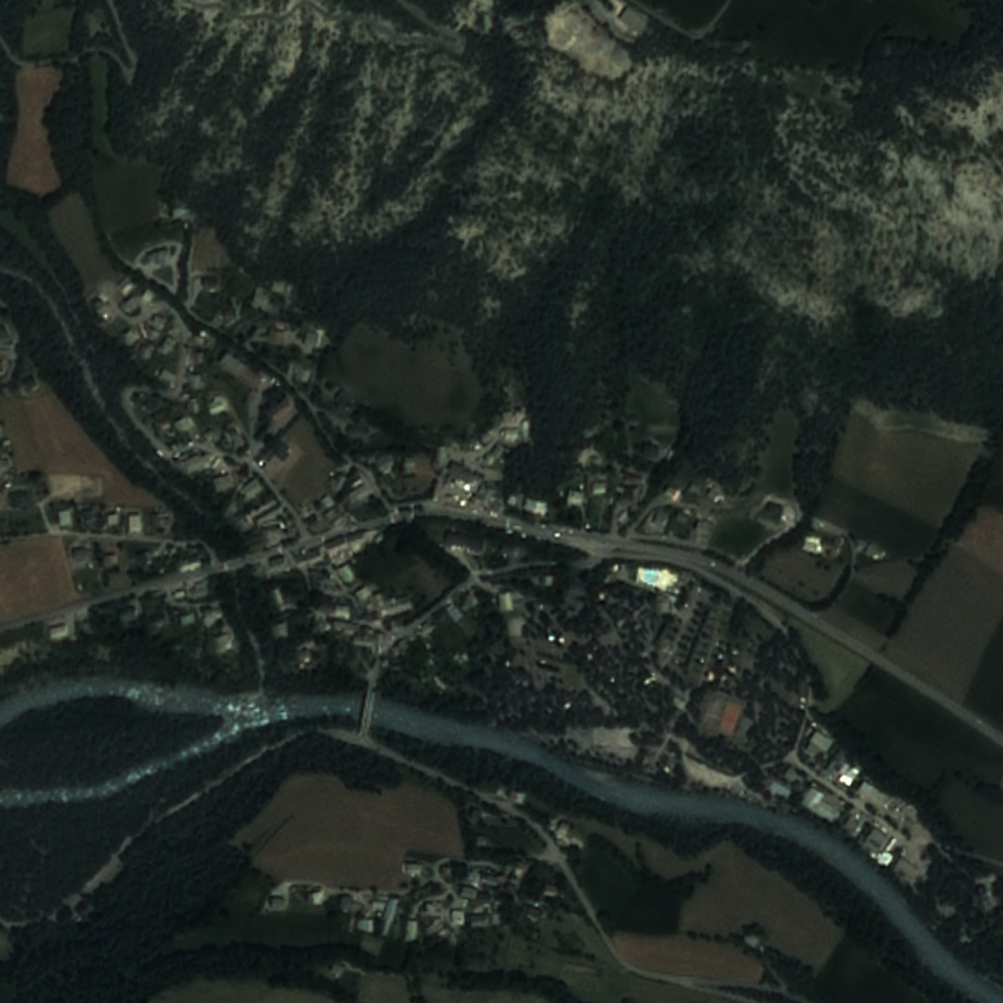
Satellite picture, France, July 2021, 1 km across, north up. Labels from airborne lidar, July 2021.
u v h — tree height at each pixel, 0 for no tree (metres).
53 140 10
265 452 8
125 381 12
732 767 9
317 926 0
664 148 9
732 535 0
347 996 11
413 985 6
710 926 0
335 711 0
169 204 7
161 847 15
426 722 0
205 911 18
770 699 11
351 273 8
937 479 0
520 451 12
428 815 0
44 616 0
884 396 10
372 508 11
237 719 0
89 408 10
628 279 7
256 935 0
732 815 0
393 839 0
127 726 9
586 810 13
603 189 9
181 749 9
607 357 11
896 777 11
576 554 12
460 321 7
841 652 0
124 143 8
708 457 7
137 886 10
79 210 0
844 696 0
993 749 0
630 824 8
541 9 7
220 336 10
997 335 8
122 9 8
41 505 0
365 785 8
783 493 0
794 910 0
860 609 0
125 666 10
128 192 0
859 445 0
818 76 0
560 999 9
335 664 11
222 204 10
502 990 8
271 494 8
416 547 13
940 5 0
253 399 0
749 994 10
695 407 14
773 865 12
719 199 7
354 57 6
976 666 0
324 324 11
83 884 10
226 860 7
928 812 13
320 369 10
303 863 0
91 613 9
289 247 7
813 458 13
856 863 0
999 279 7
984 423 9
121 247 0
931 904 10
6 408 0
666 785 8
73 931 17
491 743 0
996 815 0
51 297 12
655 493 5
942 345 7
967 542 0
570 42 0
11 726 7
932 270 7
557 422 11
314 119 6
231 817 10
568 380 8
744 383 6
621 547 0
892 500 0
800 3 0
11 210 8
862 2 0
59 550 0
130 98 9
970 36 11
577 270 6
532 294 11
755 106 9
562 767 0
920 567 8
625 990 0
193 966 23
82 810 11
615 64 0
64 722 8
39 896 11
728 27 0
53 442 0
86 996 16
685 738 7
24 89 0
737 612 11
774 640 5
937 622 0
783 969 12
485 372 8
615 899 0
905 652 0
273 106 8
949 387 8
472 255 7
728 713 0
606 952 0
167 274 0
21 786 7
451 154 10
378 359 0
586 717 10
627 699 9
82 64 9
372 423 9
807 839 0
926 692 0
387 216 6
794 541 11
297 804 0
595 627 11
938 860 9
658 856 0
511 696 15
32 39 0
